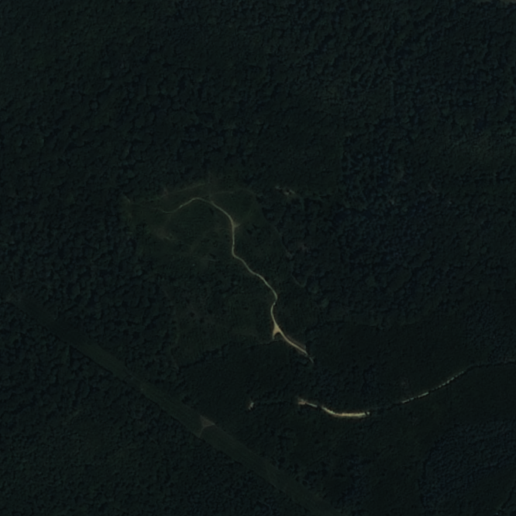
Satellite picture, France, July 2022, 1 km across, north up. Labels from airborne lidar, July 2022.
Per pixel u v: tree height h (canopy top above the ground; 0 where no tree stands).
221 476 23
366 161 30
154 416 26
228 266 7
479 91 32
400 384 10
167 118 36
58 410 22
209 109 27
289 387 16
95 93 14
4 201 24
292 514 22
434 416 10
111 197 27
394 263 38
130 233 18
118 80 27
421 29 28
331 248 32
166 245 0
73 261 20
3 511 21
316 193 21
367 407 22
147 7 21
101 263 23
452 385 13
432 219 28
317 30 33
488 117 31
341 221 10
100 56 15
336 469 7
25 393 24
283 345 7
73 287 31
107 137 31
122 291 32
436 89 23
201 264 0
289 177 21
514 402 15
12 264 25
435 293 33
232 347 14
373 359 17
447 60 25
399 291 23
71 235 21
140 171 22
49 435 15
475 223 29
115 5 19
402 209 31
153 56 30
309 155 20
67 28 21
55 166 25
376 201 38
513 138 26
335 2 30
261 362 11
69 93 29
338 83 26
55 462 17
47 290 21
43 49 22
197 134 35
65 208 29
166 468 24
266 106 31
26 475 15
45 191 26
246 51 26
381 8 22
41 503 24
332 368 10
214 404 15
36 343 21
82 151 24
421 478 11
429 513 8
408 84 26
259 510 28
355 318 26
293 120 27
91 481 21
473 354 18
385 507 9
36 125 25
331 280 31
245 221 0
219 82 27
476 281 26
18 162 26
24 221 29
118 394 19
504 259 22
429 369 9
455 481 27
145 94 31
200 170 25
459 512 9
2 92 17
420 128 33
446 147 17
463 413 17
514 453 21
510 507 21
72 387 28
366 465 23
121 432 10
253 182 28
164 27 26
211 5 25
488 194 25
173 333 26
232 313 5
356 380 13
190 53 25
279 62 25
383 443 20
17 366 26
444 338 18
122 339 24
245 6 22
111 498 25
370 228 42
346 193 8
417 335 10
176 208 0
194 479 22
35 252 26
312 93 23
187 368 15
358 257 24
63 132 28
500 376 19
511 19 27
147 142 31
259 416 22
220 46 25
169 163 18
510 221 13
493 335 23
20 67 21
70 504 24
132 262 30
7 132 24
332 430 6
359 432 7
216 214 16
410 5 23
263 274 10
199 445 17
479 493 14
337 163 26
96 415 18
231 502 20
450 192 26
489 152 17
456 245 21
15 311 19
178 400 23
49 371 24
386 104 28
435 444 11
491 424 32
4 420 24
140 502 21
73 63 20
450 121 33
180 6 27
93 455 9
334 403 26
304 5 21
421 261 32
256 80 27
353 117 23
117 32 19
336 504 12
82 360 24
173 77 29
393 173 44
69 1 24
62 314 17
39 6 21
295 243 23
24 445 12
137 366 18
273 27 27
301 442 6
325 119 23
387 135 33
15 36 23
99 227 27
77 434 11
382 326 7
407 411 12
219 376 18
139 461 16
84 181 23
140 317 29
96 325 22
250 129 32
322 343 29
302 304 7
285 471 18
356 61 32
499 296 27
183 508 20
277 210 29
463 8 33
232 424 15
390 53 28
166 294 30
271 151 25
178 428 26
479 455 25
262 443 21
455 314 16
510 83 33
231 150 32
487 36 23
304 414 20
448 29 25
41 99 22
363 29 30
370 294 29
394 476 11
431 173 32
